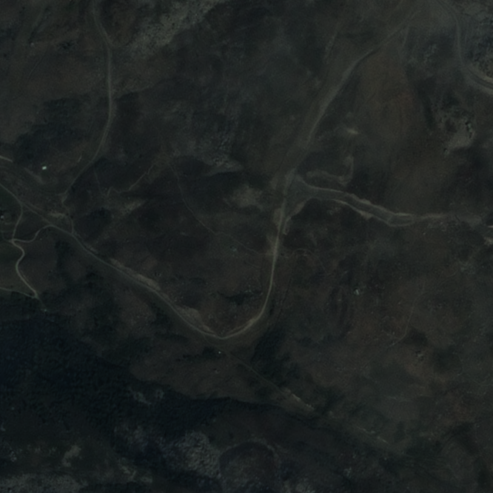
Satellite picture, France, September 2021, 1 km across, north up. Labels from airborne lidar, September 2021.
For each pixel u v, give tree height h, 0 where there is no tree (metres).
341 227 0
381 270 0
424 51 0
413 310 0
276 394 0
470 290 0
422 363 0
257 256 0
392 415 0
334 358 0
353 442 0
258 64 0
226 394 0
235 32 0
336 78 0
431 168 0
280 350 0
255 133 0
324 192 0
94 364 7
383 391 0
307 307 0
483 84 0
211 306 0
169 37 0
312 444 0
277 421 0
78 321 0
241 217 0
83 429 0
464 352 0
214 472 0
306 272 0
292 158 0
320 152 0
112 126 0
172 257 0
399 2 0
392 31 0
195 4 0
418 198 0
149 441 0
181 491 0
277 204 0
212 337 0
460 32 0
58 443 0
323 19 0
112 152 0
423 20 0
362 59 0
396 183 0
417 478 0
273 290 0
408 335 0
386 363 0
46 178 0
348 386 0
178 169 0
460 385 0
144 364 0
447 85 0
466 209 0
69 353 8
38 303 8
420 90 0
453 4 0
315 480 0
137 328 0
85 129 0
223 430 0
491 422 0
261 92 0
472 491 0
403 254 0
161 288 0
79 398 6
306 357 0
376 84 0
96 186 0
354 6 0
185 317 0
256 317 0
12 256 0
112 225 0
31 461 0
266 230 0
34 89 0
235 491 0
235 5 0
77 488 0
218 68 0
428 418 0
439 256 0
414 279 0
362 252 0
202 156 0
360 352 0
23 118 0
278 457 0
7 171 0
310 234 0
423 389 0
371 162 0
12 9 0
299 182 0
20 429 0
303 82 0
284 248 0
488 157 0
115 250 0
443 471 0
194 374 0
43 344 11
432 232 0
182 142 0
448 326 0
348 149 0
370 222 0
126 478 0
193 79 0
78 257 0
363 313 0
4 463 10
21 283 0
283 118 0
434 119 0
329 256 0
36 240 0
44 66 0
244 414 0
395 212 0
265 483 0
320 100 0
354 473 0
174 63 0
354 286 0
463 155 0
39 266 0
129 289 0
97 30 0
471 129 0
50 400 0
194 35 0
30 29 0
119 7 0
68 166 0
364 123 0
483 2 0
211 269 0
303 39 0
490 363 0
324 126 0
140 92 0
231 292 0
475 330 0
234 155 0
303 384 0
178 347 0
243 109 0
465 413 0
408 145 0
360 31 0
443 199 0
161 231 0
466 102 0
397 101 0
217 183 0
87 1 0
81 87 0
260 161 0
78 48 0
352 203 0
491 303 0
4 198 0
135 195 0
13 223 0
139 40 0
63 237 0
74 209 0
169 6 0
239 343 0
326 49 0
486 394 0
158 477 0
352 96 0
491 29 0
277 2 0
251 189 0
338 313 0
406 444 0
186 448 0
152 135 0
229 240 0
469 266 0
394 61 0
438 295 0
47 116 0
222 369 0
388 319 0
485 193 0
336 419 0
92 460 0
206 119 0
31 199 0
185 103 0
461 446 0
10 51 0
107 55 0
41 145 0
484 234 0
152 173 0
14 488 0
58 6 0
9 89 0
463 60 0
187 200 0
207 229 0
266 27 0
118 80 0
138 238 0
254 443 0
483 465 0
